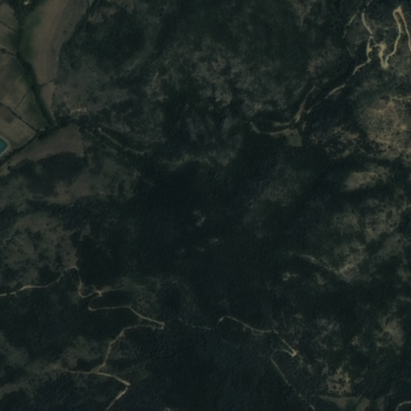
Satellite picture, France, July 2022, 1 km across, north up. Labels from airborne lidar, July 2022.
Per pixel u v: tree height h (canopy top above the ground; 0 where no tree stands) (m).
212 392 7
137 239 8
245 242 7
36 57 0
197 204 7
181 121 6
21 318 7
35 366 0
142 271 7
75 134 0
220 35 6
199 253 6
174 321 8
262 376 13
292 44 7
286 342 8
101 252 5
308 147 9
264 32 6
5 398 9
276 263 12
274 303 6
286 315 6
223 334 7
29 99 0
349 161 7
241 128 6
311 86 13
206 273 6
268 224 5
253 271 9
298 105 11
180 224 6
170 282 5
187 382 8
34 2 10
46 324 7
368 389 7
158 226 6
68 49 8
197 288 7
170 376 7
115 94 0
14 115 7
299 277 7
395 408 7
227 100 7
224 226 6
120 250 10
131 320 7
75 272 7
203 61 6
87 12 10
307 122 8
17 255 0
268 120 8
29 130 0
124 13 6
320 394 10
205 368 10
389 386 10
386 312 8
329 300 11
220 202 8
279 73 6
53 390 10
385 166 8
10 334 7
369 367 8
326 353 6
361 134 10
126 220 7
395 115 0
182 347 7
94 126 5
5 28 0
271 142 7
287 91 8
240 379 14
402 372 10
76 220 7
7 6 0
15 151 9
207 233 7
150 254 7
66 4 0
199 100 10
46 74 0
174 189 11
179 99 10
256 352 8
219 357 17
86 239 8
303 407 15
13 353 0
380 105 0
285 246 8
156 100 8
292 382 11
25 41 0
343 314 13
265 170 6
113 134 11
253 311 7
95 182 0
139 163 10
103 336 7
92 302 7
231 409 19
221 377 13
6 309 7
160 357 7
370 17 6
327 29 12
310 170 6
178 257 7
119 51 5
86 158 7
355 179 0
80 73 0
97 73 0
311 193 13
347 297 10
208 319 9
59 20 0
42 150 0
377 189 8
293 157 6
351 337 9
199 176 6
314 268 9
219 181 11
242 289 7
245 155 9
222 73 9
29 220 0
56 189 0
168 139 7
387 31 10
